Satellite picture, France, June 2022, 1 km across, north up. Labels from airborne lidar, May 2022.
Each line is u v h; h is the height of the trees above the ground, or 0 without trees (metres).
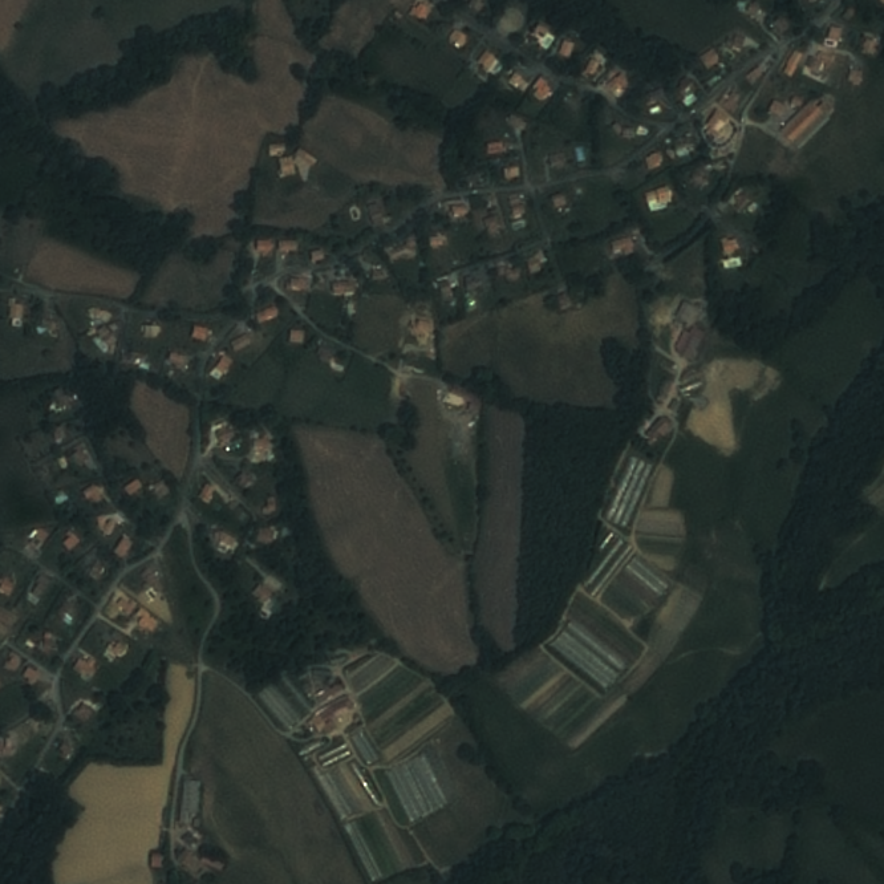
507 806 0
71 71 0
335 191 0
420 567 0
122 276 0
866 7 10
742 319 13
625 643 0
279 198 0
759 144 0
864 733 0
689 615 0
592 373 0
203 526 13
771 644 23
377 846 0
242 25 12
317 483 0
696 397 0
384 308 0
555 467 11
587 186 0
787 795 20
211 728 0
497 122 0
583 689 0
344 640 12
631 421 15
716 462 0
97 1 0
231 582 12
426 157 0
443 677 6
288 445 12
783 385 0
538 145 7
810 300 19
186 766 0
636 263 19
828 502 20
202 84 0
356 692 0
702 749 10
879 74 0
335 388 0
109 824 0
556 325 0
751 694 27
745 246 0
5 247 0
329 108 0
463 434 0
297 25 8
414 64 0
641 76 21
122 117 0
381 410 0
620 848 24
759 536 0
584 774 0
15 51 0
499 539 0
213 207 0
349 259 18
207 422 11
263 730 0
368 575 0
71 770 9
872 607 27
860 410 22
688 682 0
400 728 0
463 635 0
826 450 23
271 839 0
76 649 0
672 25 0
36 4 0
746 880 13
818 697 18
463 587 0
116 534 0
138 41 15
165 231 21
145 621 0
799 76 0
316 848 0
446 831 0
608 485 9
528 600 11
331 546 0
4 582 0
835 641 23
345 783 0
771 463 0
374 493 0
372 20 0
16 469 0
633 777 15
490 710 0
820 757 0
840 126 0
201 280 0
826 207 0
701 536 0
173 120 0
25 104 25
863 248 19
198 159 0
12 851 20
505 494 0
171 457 0
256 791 0
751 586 0
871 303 0
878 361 23
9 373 0
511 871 22
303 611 7
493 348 0
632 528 0
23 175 0
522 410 14
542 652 0
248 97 0
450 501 0
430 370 0
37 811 13
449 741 0
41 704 12
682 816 9
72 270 0
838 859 0
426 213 10
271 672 14
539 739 0
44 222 0
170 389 11
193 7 0
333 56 12
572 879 16
